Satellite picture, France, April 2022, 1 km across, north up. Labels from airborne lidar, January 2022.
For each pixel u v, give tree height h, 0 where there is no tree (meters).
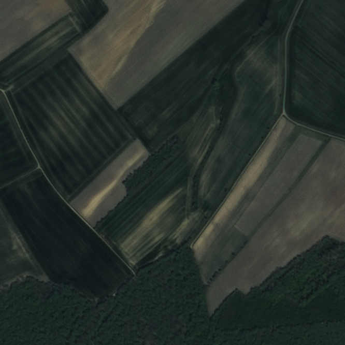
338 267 0
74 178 0
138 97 0
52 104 0
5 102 0
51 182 0
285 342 22
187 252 20
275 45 0
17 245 0
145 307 21
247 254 0
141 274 16
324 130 0
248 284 0
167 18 0
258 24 0
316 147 0
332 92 0
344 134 0
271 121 0
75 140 0
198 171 6
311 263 25
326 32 0
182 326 28
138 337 23
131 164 0
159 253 0
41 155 0
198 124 0
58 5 0
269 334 21
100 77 0
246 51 0
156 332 22
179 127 0
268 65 0
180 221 0
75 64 0
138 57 0
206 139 0
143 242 0
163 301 21
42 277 0
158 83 0
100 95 0
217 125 0
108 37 0
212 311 0
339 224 0
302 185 0
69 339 18
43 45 0
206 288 12
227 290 0
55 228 0
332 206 0
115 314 19
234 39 0
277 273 15
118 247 0
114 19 0
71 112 0
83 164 0
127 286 18
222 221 0
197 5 0
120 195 0
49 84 0
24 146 0
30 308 25
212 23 0
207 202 0
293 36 0
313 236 0
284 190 0
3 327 23
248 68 0
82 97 0
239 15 0
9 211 0
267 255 0
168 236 0
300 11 0
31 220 0
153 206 0
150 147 0
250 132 0
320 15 0
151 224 0
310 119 0
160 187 0
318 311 7
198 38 0
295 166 0
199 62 0
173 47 0
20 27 0
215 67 0
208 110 0
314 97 0
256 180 0
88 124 0
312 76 0
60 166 0
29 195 0
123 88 0
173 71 0
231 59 0
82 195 0
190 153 0
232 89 8
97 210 0
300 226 0
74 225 0
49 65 0
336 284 22
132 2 0
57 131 0
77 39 0
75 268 0
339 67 0
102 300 0
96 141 0
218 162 0
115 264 0
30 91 0
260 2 0
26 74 0
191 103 0
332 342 24
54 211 0
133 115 0
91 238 0
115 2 0
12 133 0
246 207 0
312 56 0
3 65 0
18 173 0
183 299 22
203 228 0
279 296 24
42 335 21
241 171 0
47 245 0
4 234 0
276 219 0
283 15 0
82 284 0
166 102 0
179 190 0
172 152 14
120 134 0
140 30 0
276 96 0
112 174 0
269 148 0
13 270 0
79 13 0
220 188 0
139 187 19
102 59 0
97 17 0
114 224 0
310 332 22
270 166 0
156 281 21
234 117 0
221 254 0
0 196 0
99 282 0
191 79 0
